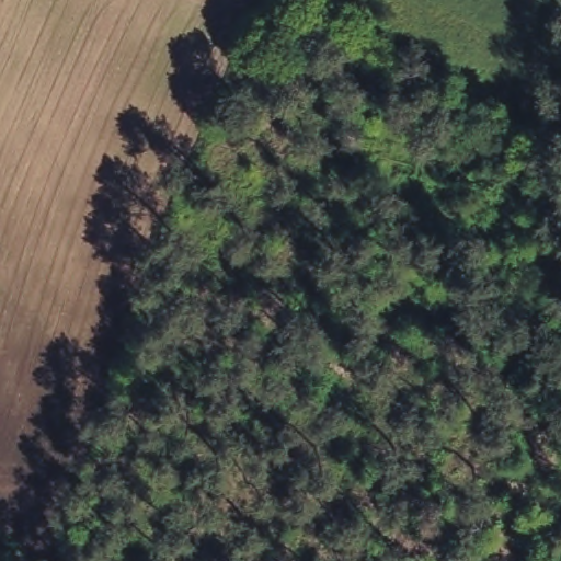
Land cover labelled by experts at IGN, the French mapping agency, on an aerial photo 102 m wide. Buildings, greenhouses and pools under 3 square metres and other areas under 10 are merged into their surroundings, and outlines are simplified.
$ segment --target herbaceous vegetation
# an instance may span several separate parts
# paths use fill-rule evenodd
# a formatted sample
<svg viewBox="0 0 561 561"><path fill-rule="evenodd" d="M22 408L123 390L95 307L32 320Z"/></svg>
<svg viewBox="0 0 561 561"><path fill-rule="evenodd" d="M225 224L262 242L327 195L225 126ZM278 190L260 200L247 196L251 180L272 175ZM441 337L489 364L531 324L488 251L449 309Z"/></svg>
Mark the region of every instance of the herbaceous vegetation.
<svg viewBox="0 0 561 561"><path fill-rule="evenodd" d="M456 559L456 550L460 548L458 530L465 526L451 519L438 528L436 537L432 537L436 561L447 561Z"/></svg>
<svg viewBox="0 0 561 561"><path fill-rule="evenodd" d="M533 508L530 497L511 489L508 480L504 478L486 484L486 493L491 500L502 497L508 502L508 511L504 513L504 537L508 554L493 552L491 561L528 561L528 557L537 552L539 546L546 543L554 550L557 541L561 539L561 517L552 519L552 524L548 526L519 533L517 519Z"/></svg>

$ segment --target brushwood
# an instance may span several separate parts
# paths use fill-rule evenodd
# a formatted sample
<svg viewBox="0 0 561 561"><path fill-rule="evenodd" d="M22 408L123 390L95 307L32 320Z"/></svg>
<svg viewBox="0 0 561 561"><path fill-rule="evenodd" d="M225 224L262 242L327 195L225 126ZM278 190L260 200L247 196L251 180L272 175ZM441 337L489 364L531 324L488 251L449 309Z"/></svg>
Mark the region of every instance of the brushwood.
<svg viewBox="0 0 561 561"><path fill-rule="evenodd" d="M375 344L377 337L373 333L355 333L353 340L337 353L340 366L351 373L351 386L333 388L324 408L311 399L300 408L296 403L296 394L291 394L283 401L281 408L283 416L289 419L294 425L294 438L313 460L313 467L309 467L309 471L305 471L289 489L289 495L278 502L272 500L267 482L234 484L226 473L210 471L202 478L195 478L188 471L175 473L167 471L164 467L153 469L140 458L134 465L129 482L123 486L116 486L112 480L94 484L94 467L90 465L85 465L79 476L77 486L66 484L53 491L53 508L46 508L48 524L55 530L55 537L66 541L70 539L70 533L75 528L81 528L85 533L96 528L99 524L116 522L121 530L129 530L136 535L136 543L140 543L142 548L151 548L153 541L167 541L175 524L197 522L204 535L217 535L221 539L256 530L261 539L272 535L274 539L283 539L285 546L296 550L300 546L311 546L318 554L316 561L436 561L432 537L436 537L438 528L451 519L465 526L458 530L460 548L456 550L456 559L447 561L491 561L493 552L508 554L504 537L504 513L508 511L508 502L502 497L491 500L486 493L486 484L504 478L504 469L513 469L522 460L530 458L533 471L522 480L508 480L511 489L530 497L533 508L550 513L552 519L561 517L561 440L557 440L550 434L550 421L539 421L533 408L504 401L493 381L480 373L482 364L476 364L476 351L456 351L440 362L434 355L421 359L405 346L401 346L394 355L390 355Z"/></svg>

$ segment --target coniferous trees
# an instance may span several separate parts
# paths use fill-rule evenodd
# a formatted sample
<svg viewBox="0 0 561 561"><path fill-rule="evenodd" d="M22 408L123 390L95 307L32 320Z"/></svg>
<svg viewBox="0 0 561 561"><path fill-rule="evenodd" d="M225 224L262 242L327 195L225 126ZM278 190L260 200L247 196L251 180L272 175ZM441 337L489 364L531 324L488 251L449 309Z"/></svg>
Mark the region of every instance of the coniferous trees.
<svg viewBox="0 0 561 561"><path fill-rule="evenodd" d="M493 381L504 401L533 408L539 421L550 421L550 434L557 440L561 440L561 53L548 55L537 66L537 77L530 83L504 85L495 79L480 81L476 70L447 64L445 53L434 39L403 33L394 35L383 28L375 28L375 18L383 20L390 11L383 9L377 0L256 0L252 7L248 7L259 18L252 24L252 33L243 42L239 42L230 53L226 53L228 68L219 79L219 88L213 94L206 94L202 99L199 110L191 116L191 121L197 127L197 138L188 140L195 145L199 169L188 171L191 182L184 186L184 199L191 208L206 208L210 215L217 217L217 252L206 256L206 250L188 245L184 241L182 228L178 228L178 224L171 217L162 226L151 228L151 234L147 237L149 261L140 276L142 298L131 300L134 313L125 320L121 335L125 348L118 353L112 366L112 383L107 386L105 399L101 401L101 405L94 408L90 416L90 430L81 430L81 443L68 451L68 456L72 456L72 462L64 467L70 473L79 476L85 465L90 465L94 467L94 484L112 480L116 486L123 486L129 482L134 465L140 458L153 469L164 467L167 471L175 473L188 471L195 478L202 478L210 471L226 473L234 484L267 482L272 500L278 502L289 495L289 489L305 471L309 471L309 467L313 467L313 460L294 438L294 425L289 419L283 416L281 408L283 401L291 394L296 394L296 403L300 408L311 399L311 392L318 386L318 375L309 370L309 366L313 366L320 359L329 359L333 351L337 353L353 340L355 333L373 333L377 337L375 344L390 355L394 355L401 346L399 342L394 342L394 333L410 331L412 327L416 327L434 348L434 355L440 362L456 351L476 351L476 364L482 364L480 373ZM467 175L471 171L493 169L506 162L522 162L522 171L504 188L502 202L497 202L495 221L489 228L465 226L460 217L460 206L469 197ZM535 245L537 259L511 265L508 252L526 245Z"/></svg>
<svg viewBox="0 0 561 561"><path fill-rule="evenodd" d="M55 537L55 530L48 524L35 526L24 539L11 535L4 535L0 539L0 561L316 561L318 554L311 546L300 546L296 550L285 546L283 539L274 539L272 535L261 539L256 530L221 539L217 535L204 535L197 522L175 524L167 541L153 541L151 548L142 548L140 543L136 543L136 535L129 530L121 530L116 522L99 524L96 528L85 533L81 528L75 528L70 533L70 539L66 541Z"/></svg>
<svg viewBox="0 0 561 561"><path fill-rule="evenodd" d="M552 0L548 7L548 15L552 22L552 42L561 42L561 0Z"/></svg>

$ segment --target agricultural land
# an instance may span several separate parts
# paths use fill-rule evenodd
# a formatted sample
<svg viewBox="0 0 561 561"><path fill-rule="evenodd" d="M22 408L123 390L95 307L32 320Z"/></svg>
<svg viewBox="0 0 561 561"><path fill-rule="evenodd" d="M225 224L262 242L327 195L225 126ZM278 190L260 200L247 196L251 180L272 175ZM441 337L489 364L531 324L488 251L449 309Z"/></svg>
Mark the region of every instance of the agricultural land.
<svg viewBox="0 0 561 561"><path fill-rule="evenodd" d="M394 35L403 33L434 39L445 53L447 64L476 70L480 81L495 79L504 85L530 83L537 77L537 66L548 55L561 53L561 42L552 42L552 22L548 15L548 7L552 0L377 0L383 9L390 11L383 20L375 18L375 28L383 28Z"/></svg>
<svg viewBox="0 0 561 561"><path fill-rule="evenodd" d="M151 228L162 226L171 217L173 204L184 199L184 186L191 182L188 171L199 169L195 145L188 140L197 138L197 127L191 121L191 116L199 110L202 99L206 94L213 94L219 88L219 79L228 68L226 53L230 53L239 42L243 42L252 33L252 24L259 18L248 7L252 7L256 0L0 0L0 539L4 535L11 535L24 539L35 526L48 524L46 508L53 508L53 491L66 484L77 486L79 476L70 473L64 467L72 462L72 456L68 456L68 451L81 443L81 430L90 430L90 416L94 408L101 405L101 401L105 399L107 386L112 383L112 366L118 353L125 348L121 335L125 320L134 313L131 300L142 298L140 276L149 261L147 237L151 234Z"/></svg>

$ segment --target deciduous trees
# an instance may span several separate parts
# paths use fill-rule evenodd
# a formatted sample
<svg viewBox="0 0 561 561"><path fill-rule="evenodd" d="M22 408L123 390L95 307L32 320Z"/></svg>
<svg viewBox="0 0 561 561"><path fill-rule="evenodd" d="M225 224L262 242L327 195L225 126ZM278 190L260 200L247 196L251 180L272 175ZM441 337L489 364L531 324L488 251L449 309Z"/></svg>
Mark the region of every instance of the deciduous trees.
<svg viewBox="0 0 561 561"><path fill-rule="evenodd" d="M460 206L460 217L465 226L489 228L495 221L497 202L502 202L504 188L522 171L522 162L506 162L493 169L471 171L467 175L469 197Z"/></svg>
<svg viewBox="0 0 561 561"><path fill-rule="evenodd" d="M405 346L421 359L434 355L434 348L416 327L412 327L410 331L394 333L394 342L399 342L401 346Z"/></svg>
<svg viewBox="0 0 561 561"><path fill-rule="evenodd" d="M522 480L533 471L530 458L522 460L513 469L504 469L504 478L508 480Z"/></svg>
<svg viewBox="0 0 561 561"><path fill-rule="evenodd" d="M324 408L333 388L351 386L351 373L340 366L337 353L333 351L329 359L320 359L313 366L309 366L309 370L318 375L318 386L311 392L311 399Z"/></svg>
<svg viewBox="0 0 561 561"><path fill-rule="evenodd" d="M557 541L554 550L546 543L539 546L537 552L528 557L528 561L561 561L561 539Z"/></svg>
<svg viewBox="0 0 561 561"><path fill-rule="evenodd" d="M511 265L537 259L535 245L526 245L508 252Z"/></svg>
<svg viewBox="0 0 561 561"><path fill-rule="evenodd" d="M517 519L519 533L548 526L552 524L552 519L550 513L533 508Z"/></svg>
<svg viewBox="0 0 561 561"><path fill-rule="evenodd" d="M184 241L188 245L206 250L206 256L217 252L217 217L210 215L206 208L191 208L184 199L173 204L171 217L178 224L178 228L182 228Z"/></svg>

